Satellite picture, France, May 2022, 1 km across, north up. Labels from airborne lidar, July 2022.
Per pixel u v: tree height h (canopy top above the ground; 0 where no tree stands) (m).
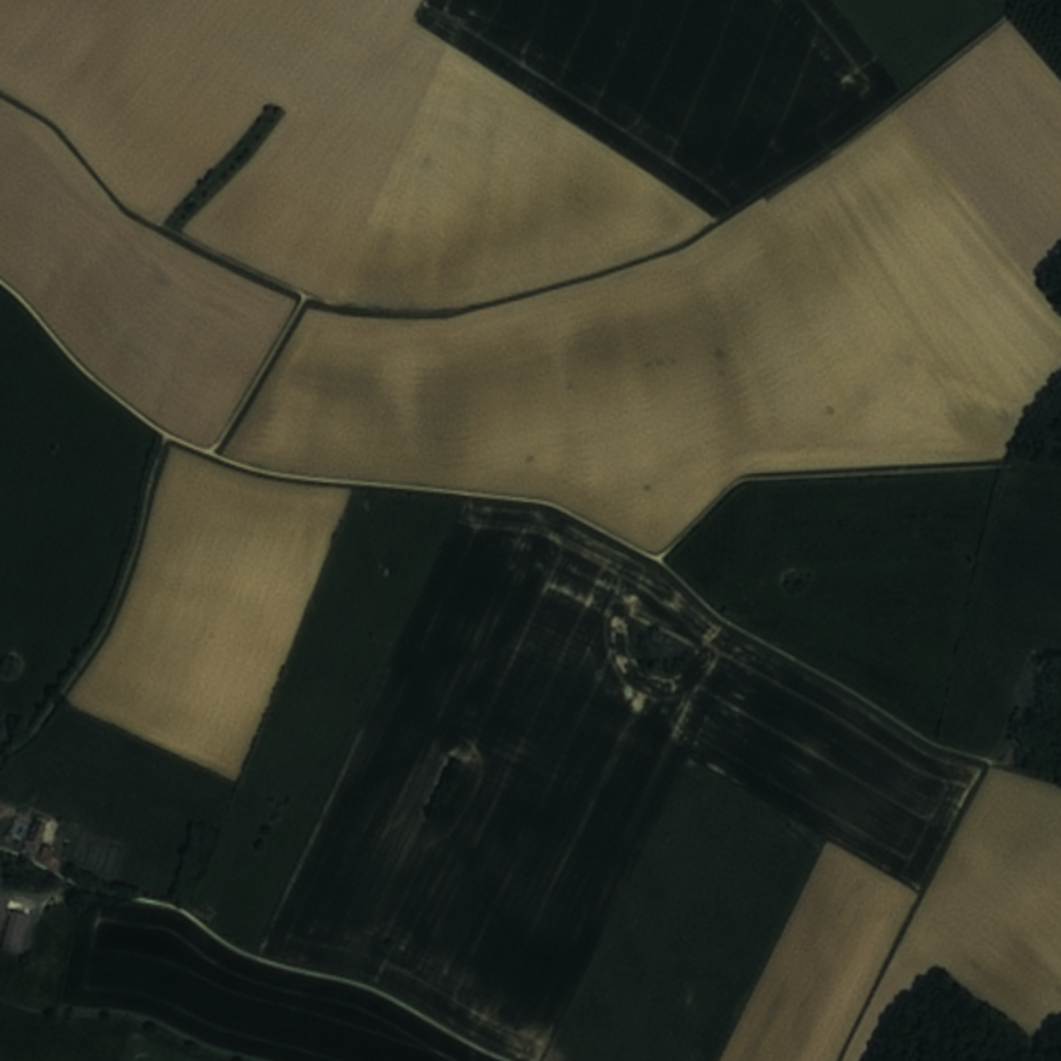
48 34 0
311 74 0
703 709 0
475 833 0
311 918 0
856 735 0
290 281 0
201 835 6
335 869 0
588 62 0
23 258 0
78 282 0
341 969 0
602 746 0
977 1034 20
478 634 0
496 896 0
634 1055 0
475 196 0
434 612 0
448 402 0
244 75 0
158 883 0
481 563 0
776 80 0
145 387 0
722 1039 0
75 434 0
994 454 0
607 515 0
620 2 0
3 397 0
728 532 0
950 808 0
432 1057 0
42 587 0
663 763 0
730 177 0
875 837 0
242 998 0
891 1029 23
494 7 0
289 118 0
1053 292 14
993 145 0
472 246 0
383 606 0
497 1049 0
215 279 0
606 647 0
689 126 0
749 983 0
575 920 0
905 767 0
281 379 0
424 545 0
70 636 0
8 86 0
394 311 0
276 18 0
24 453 0
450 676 0
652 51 0
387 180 0
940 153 0
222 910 0
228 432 0
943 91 0
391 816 0
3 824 0
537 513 0
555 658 0
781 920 0
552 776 0
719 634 0
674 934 0
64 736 0
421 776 0
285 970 0
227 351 0
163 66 0
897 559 0
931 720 0
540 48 0
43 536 0
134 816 0
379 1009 0
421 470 0
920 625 0
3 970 0
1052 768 15
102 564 0
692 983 0
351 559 0
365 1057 0
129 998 0
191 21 0
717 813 0
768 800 0
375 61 0
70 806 0
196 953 0
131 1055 0
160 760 0
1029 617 0
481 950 0
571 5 0
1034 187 0
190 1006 0
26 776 0
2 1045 0
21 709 0
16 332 0
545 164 0
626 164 0
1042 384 0
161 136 0
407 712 0
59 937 0
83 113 0
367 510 0
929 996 22
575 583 0
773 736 0
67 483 0
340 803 0
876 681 0
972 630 0
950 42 0
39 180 0
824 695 0
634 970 0
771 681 0
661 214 0
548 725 0
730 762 0
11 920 0
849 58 0
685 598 0
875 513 0
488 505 0
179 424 0
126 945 0
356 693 0
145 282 0
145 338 0
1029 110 0
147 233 0
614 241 0
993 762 0
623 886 0
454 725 0
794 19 0
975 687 0
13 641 0
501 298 0
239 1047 0
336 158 0
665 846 0
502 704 0
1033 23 17
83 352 0
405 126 0
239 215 0
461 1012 0
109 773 0
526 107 0
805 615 0
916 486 0
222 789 0
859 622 0
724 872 0
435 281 0
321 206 0
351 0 0
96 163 0
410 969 0
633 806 0
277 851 0
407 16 0
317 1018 0
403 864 0
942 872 0
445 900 0
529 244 0
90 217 0
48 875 9
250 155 6
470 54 0
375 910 0
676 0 0
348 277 0
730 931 0
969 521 0
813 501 0
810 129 0
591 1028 0
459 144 0
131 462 0
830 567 0
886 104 0
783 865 0
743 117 0
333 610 0
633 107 0
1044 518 0
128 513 0
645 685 0
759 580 0
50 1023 8
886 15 0
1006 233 0
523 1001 0
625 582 0
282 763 0
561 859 0
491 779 0
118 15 0
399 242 0
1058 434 20
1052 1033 22
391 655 0
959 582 0
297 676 0
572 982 0
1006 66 0
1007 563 0
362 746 0
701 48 0
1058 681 20
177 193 0
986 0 0
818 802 0
